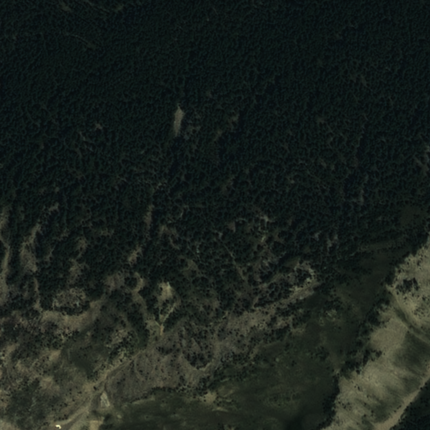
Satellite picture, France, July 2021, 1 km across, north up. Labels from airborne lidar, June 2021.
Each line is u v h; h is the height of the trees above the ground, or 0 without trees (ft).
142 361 0
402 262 21
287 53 59
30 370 0
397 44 69
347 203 21
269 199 45
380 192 35
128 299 28
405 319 0
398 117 80
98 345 0
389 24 88
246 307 25
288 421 0
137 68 48
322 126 48
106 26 76
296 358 0
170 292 0
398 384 0
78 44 56
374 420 0
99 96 69
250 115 75
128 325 0
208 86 50
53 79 63
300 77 80
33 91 65
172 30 58
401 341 0
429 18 82
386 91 37
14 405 0
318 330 0
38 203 56
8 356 0
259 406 0
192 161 62
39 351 0
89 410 0
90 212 30
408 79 67
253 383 0
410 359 0
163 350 24
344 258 28
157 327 0
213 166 42
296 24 84
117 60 70
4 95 82
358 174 49
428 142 81
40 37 75
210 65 55
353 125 50
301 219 42
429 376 0
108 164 69
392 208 30
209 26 80
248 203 42
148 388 0
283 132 57
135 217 47
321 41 67
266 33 70
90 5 65
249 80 79
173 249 24
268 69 48
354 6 85
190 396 0
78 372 0
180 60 62
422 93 82
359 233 22
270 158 40
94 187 71
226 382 0
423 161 48
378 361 0
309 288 0
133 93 71
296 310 21
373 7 90
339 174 49
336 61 51
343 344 0
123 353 0
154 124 64
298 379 0
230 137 61
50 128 70
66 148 66
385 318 0
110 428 0
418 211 0
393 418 0
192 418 0
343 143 57
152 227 23
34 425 0
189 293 0
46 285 41
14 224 56
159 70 60
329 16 83
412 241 24
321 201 47
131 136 70
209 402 0
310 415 0
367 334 41
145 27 73
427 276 0
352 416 0
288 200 33
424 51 63
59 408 0
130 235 55
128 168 53
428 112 59
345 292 0
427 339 0
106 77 58
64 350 0
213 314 0
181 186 62
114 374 0
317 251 32
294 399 0
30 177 50
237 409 0
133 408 0
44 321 0
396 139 49
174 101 67
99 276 31
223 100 31
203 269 21
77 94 70
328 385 0
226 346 0
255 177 60
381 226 22
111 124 71
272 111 39
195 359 25
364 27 89
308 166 53
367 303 0
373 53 50
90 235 36
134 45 50
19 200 42
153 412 0
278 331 21
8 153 78
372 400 0
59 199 19
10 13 69
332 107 68
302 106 63
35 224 34
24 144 75
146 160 42
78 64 79
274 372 0
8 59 80
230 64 56
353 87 60
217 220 45
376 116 60
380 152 45
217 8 72
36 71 78
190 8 73
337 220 20
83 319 0
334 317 0
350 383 0
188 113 40
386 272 0
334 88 81
